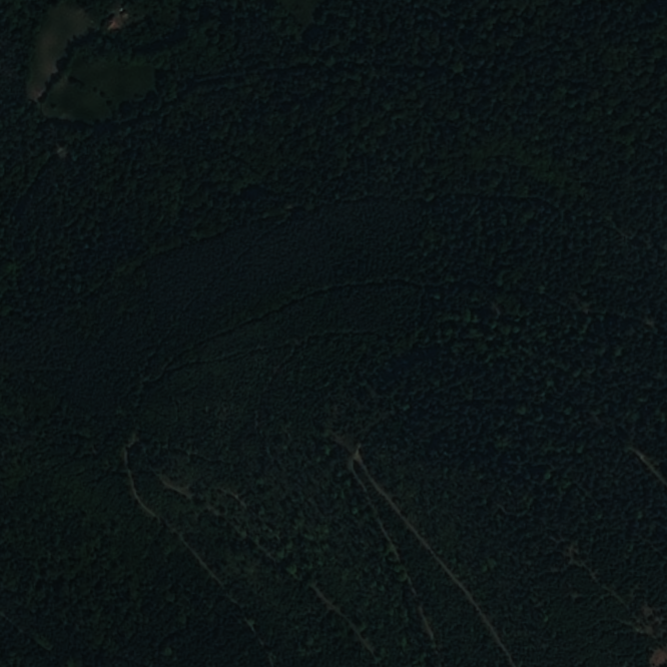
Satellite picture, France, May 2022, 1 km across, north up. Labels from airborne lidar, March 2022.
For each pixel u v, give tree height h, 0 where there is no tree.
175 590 22
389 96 32
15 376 17
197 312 20
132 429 21
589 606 8
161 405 16
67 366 23
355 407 6
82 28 0
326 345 12
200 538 10
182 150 34
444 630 11
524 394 29
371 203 21
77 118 0
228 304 20
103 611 19
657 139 34
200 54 26
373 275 25
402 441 13
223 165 31
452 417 30
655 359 20
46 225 21
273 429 10
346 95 34
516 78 28
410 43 37
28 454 7
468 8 34
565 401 13
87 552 17
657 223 33
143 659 22
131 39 8
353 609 7
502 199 23
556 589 12
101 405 22
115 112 13
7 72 22
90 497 7
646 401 26
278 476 22
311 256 24
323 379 11
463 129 33
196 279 24
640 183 32
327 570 8
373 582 22
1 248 21
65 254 30
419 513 8
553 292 31
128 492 14
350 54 27
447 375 29
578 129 34
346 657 11
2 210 16
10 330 24
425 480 17
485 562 20
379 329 17
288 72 30
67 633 20
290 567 26
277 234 24
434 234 27
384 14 36
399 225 27
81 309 21
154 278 23
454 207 28
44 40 0
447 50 38
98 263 32
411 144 29
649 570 13
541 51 37
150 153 28
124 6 6
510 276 27
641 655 10
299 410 12
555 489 17
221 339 8
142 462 20
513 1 36
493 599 13
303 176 31
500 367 21
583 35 35
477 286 30
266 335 8
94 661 21
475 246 30
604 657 8
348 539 25
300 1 0
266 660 20
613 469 35
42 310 24
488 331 43
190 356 13
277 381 11
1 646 25
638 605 11
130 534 12
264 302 19
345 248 19
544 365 20
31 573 18
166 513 6
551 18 36
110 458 12
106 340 21
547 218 33
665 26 31
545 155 34
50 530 16
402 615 27
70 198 22
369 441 8
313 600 14
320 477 25
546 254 26
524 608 27
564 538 19
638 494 21
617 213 30
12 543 17
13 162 32
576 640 9
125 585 18
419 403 21
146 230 34
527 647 8
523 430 25
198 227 34
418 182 32
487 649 14
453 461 27
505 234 33
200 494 19
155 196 28
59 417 24
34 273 30
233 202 34
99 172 24
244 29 33
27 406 17
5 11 32
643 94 38
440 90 38
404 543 15
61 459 12
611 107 34
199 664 21
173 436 9
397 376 19
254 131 33
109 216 29
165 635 15
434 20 31
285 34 21
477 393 31
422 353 9
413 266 27
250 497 9
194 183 29
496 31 33
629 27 29
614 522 20
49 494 16
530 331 32
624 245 28
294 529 8
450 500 18
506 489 15
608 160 36
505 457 25
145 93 0
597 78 36
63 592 33
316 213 28
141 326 19
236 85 28
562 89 28
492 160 25
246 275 24
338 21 20
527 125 34
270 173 34
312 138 31
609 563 13
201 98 30
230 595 13
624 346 20
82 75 0
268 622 9
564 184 27
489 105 35
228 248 28
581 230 27
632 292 28
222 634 27
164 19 0
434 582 8
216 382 7
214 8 26
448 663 16
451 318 23
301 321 9
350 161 33
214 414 7
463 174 32
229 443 7
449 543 7
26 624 21
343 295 19
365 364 15
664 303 31
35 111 21
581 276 34
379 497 14
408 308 15
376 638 10
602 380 13
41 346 19
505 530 23
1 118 37
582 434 16
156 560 13
